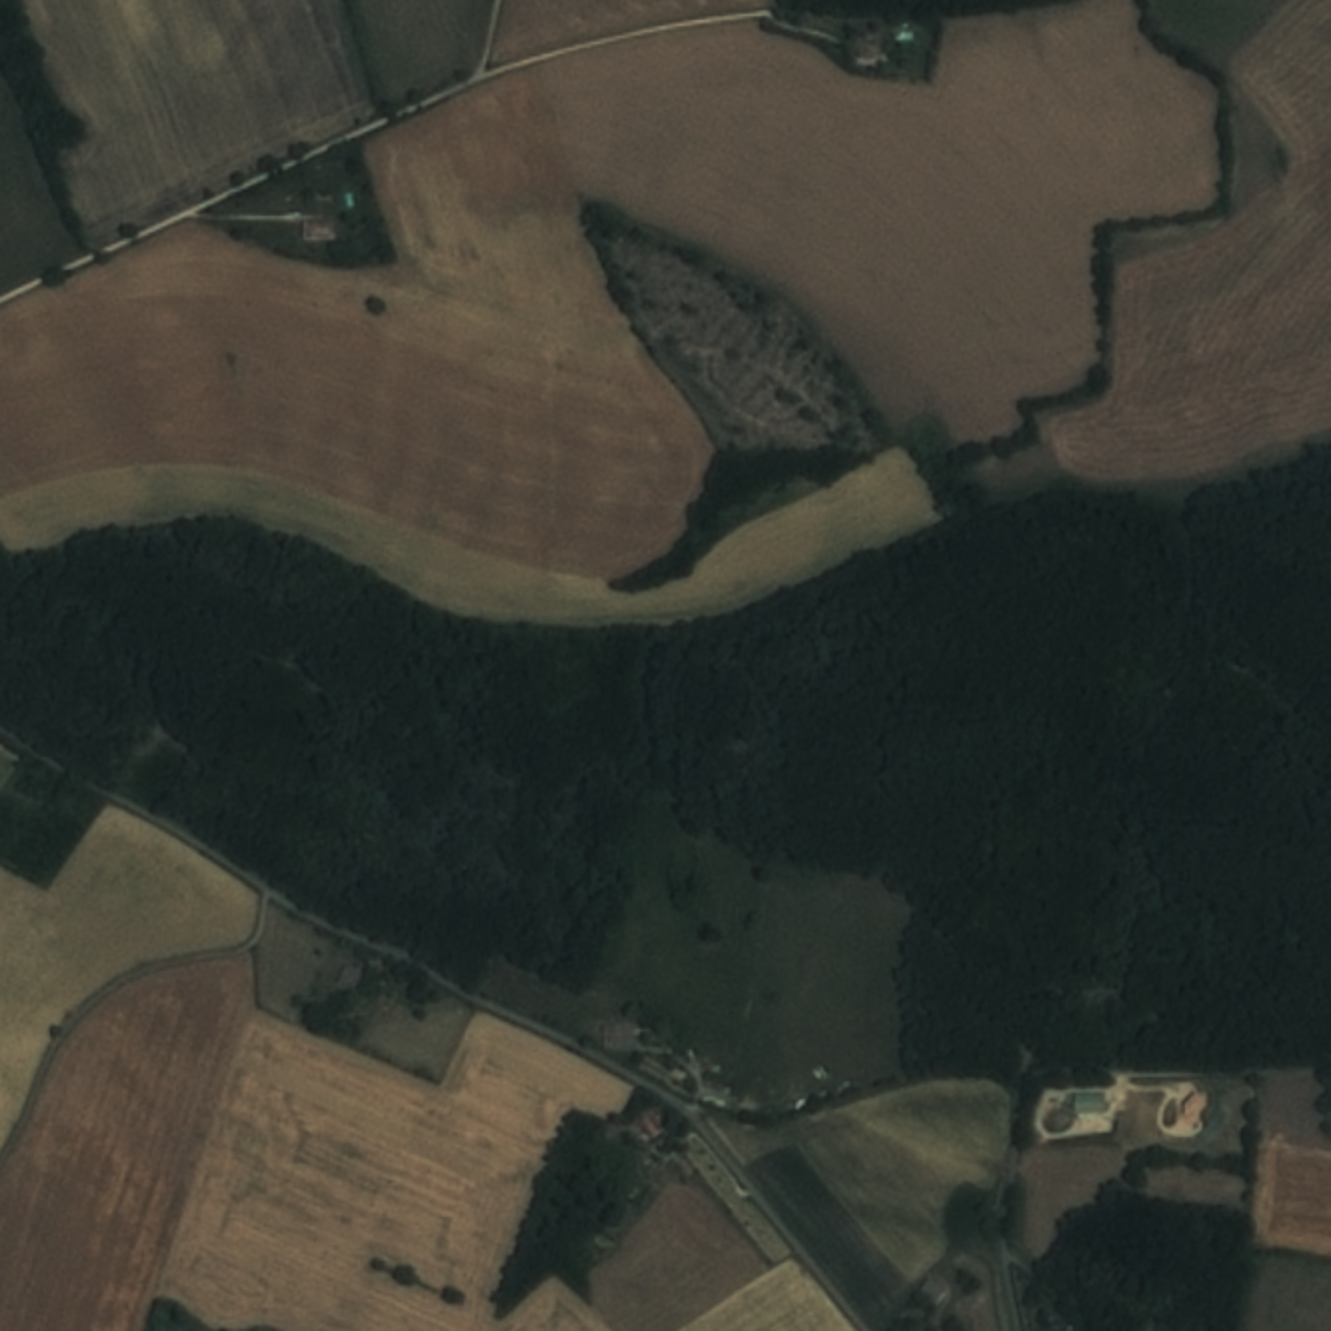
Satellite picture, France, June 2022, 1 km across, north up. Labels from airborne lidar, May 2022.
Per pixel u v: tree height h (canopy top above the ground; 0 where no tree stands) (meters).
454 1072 0
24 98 15
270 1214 0
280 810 15
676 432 0
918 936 14
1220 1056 17
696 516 13
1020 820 13
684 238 0
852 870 15
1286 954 21
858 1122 0
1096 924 11
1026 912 11
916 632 12
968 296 0
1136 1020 19
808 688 19
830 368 15
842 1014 0
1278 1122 0
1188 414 0
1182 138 0
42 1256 0
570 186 0
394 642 24
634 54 0
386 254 9
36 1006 0
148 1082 0
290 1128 0
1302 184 0
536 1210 15
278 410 0
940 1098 0
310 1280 0
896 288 0
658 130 0
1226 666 11
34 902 0
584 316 0
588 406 0
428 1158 0
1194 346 0
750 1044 0
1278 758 25
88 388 0
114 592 24
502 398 0
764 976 0
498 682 21
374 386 0
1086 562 10
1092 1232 21
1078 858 13
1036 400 8
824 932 0
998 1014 14
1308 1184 0
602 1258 0
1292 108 0
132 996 0
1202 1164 17
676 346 17
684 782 25
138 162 0
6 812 7
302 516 0
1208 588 20
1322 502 25
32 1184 0
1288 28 0
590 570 0
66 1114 0
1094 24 0
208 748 12
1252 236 0
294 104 0
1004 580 14
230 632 22
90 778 16
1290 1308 0
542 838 16
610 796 19
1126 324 0
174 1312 8
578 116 0
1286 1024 19
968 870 23
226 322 0
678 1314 0
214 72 0
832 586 16
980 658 7
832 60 7
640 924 0
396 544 0
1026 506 10
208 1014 0
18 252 0
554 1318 0
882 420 19
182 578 22
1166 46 12
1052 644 10
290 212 0
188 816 10
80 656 11
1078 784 9
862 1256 0
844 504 0
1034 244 0
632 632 15
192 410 0
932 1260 0
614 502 0
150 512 0
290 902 13
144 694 11
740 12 0
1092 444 0
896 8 13
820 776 17
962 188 0
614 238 17
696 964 0
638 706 13
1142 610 8
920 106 0
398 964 8
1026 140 0
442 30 0
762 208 0
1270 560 22
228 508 0
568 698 11
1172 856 26
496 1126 0
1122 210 0
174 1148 0
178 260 0
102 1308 0
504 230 0
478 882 15
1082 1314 15
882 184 0
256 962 0
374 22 0
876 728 20
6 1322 0
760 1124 7
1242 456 0
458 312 0
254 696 10
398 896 22
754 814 25
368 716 20
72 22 0
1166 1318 13
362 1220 0
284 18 0
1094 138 0
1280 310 0
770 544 0
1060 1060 6
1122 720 15
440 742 22
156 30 0
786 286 0
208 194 8
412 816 24
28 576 8
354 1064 0
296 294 0
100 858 0
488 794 15
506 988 0
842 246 0
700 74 0
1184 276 0
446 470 0
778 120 0
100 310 0
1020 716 9
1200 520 25
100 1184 0
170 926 0
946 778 23
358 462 0
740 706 23
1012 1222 11
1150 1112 0
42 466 0
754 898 0
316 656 27
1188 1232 25
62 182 10
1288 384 0
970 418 0
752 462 13
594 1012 0
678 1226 0
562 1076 0
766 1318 0
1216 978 22
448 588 0
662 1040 13
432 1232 0
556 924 17
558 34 0
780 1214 0
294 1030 0
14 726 12
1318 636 12
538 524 0
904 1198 0
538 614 0
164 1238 0
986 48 0
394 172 0
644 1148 11
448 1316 0
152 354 0
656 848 0
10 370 0
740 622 17
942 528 9
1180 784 14
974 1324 0
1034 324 0
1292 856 22
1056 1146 0
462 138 0
